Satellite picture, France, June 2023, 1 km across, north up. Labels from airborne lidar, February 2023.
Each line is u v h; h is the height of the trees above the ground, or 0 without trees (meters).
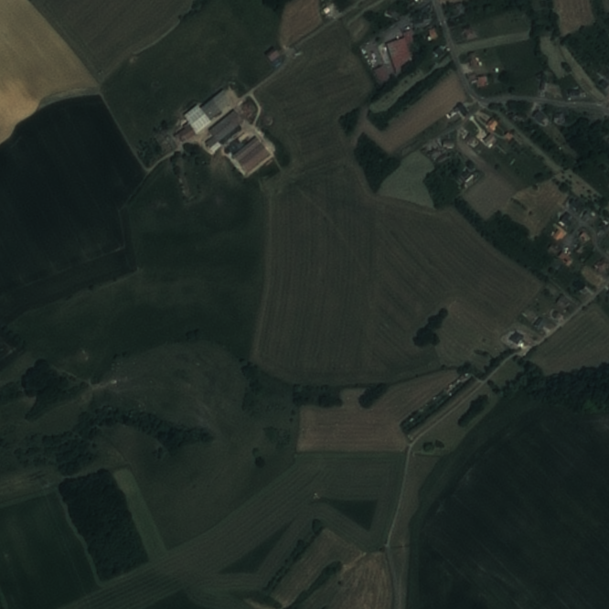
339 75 0
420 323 0
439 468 0
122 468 0
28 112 0
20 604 0
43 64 0
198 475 0
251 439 0
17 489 0
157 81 0
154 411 0
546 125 0
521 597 0
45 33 0
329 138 0
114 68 0
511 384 15
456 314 0
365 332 0
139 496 0
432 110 0
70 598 0
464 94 0
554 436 0
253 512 0
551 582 0
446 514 0
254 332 0
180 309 0
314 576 0
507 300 0
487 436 0
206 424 0
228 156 0
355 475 0
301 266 0
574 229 0
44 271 0
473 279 0
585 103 0
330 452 0
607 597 0
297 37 0
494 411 0
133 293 0
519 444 0
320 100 0
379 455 0
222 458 0
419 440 0
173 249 0
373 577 0
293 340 0
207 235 0
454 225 0
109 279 0
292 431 0
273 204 0
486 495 0
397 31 0
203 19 0
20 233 0
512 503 0
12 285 0
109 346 0
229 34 0
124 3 0
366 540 0
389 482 0
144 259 0
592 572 0
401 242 0
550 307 0
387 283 0
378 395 14
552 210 0
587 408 13
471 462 0
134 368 0
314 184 0
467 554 0
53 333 0
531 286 0
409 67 21
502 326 0
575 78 0
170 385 0
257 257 0
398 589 0
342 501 0
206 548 0
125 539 10
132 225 0
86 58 0
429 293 0
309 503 0
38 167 0
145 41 0
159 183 0
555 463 0
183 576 0
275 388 0
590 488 0
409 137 0
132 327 0
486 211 0
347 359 0
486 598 0
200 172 0
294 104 0
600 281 0
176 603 0
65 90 0
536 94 0
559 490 0
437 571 0
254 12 0
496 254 0
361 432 0
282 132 0
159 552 0
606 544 0
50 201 0
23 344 6
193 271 0
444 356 0
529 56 0
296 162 0
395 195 0
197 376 0
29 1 0
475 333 0
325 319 0
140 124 0
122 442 0
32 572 0
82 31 0
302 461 0
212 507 0
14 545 0
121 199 0
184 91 0
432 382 0
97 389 0
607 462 0
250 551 0
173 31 0
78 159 0
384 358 0
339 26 0
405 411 0
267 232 0
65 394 8
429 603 0
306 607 0
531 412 0
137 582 0
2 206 0
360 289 0
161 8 0
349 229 0
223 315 0
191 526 0
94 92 0
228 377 0
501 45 0
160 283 0
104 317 0
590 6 0
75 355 0
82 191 0
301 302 0
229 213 0
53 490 0
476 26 0
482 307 0
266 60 0
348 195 0
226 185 0
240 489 0
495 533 0
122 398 0
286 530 0
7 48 0
